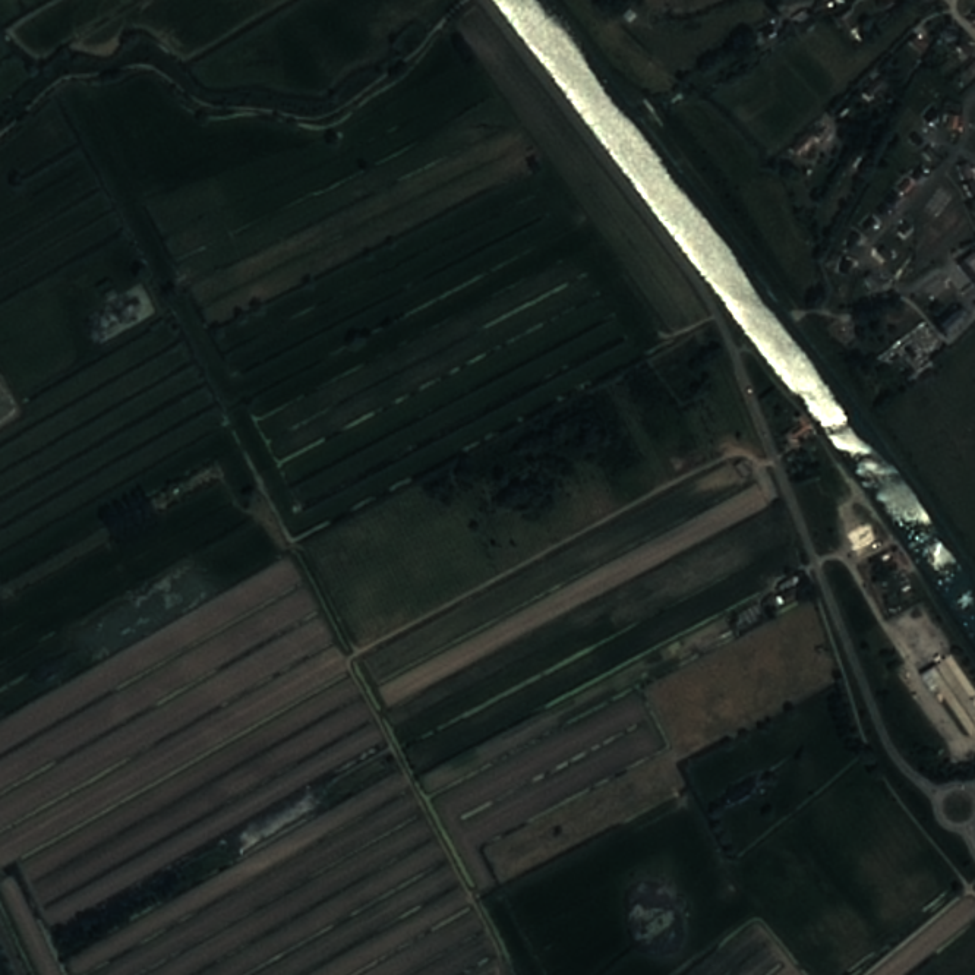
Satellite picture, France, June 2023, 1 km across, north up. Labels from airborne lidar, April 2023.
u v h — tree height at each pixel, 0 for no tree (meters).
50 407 0
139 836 0
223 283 0
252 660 0
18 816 0
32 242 0
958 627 0
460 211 0
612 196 0
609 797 0
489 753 0
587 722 0
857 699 0
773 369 0
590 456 8
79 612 0
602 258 0
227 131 0
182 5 0
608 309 0
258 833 0
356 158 0
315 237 0
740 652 0
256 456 0
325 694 0
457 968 0
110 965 0
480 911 0
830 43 0
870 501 0
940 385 0
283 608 0
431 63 0
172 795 0
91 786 0
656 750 0
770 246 0
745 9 0
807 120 0
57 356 0
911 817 0
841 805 0
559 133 0
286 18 0
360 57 0
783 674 0
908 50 0
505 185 0
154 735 0
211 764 0
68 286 0
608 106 0
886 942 0
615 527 0
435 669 0
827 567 0
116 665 0
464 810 0
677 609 0
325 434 0
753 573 0
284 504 0
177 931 0
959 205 0
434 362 0
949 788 0
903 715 0
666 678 0
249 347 0
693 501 0
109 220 0
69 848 0
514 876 0
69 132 0
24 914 0
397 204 0
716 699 0
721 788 0
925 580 0
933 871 0
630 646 0
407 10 0
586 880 0
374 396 0
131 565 0
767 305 0
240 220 0
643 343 0
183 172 0
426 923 0
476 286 0
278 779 0
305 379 0
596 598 0
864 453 0
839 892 0
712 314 0
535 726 0
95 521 0
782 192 0
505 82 0
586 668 0
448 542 0
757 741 0
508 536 0
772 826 0
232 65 0
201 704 0
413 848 0
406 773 0
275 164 0
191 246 0
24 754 0
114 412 0
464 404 0
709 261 0
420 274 0
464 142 0
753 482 0
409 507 0
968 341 0
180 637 0
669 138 0
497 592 0
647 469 0
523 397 0
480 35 0
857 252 0
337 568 0
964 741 0
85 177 0
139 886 0
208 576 0
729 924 0
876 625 0
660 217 0
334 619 0
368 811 0
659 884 0
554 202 0
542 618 0
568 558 0
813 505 0
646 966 0
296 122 8
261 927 0
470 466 11
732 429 0
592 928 0
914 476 0
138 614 0
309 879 0
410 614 0
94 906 0
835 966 0
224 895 0
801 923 0
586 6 0
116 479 0
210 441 0
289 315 0
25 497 0
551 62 0
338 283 0
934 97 0
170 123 0
